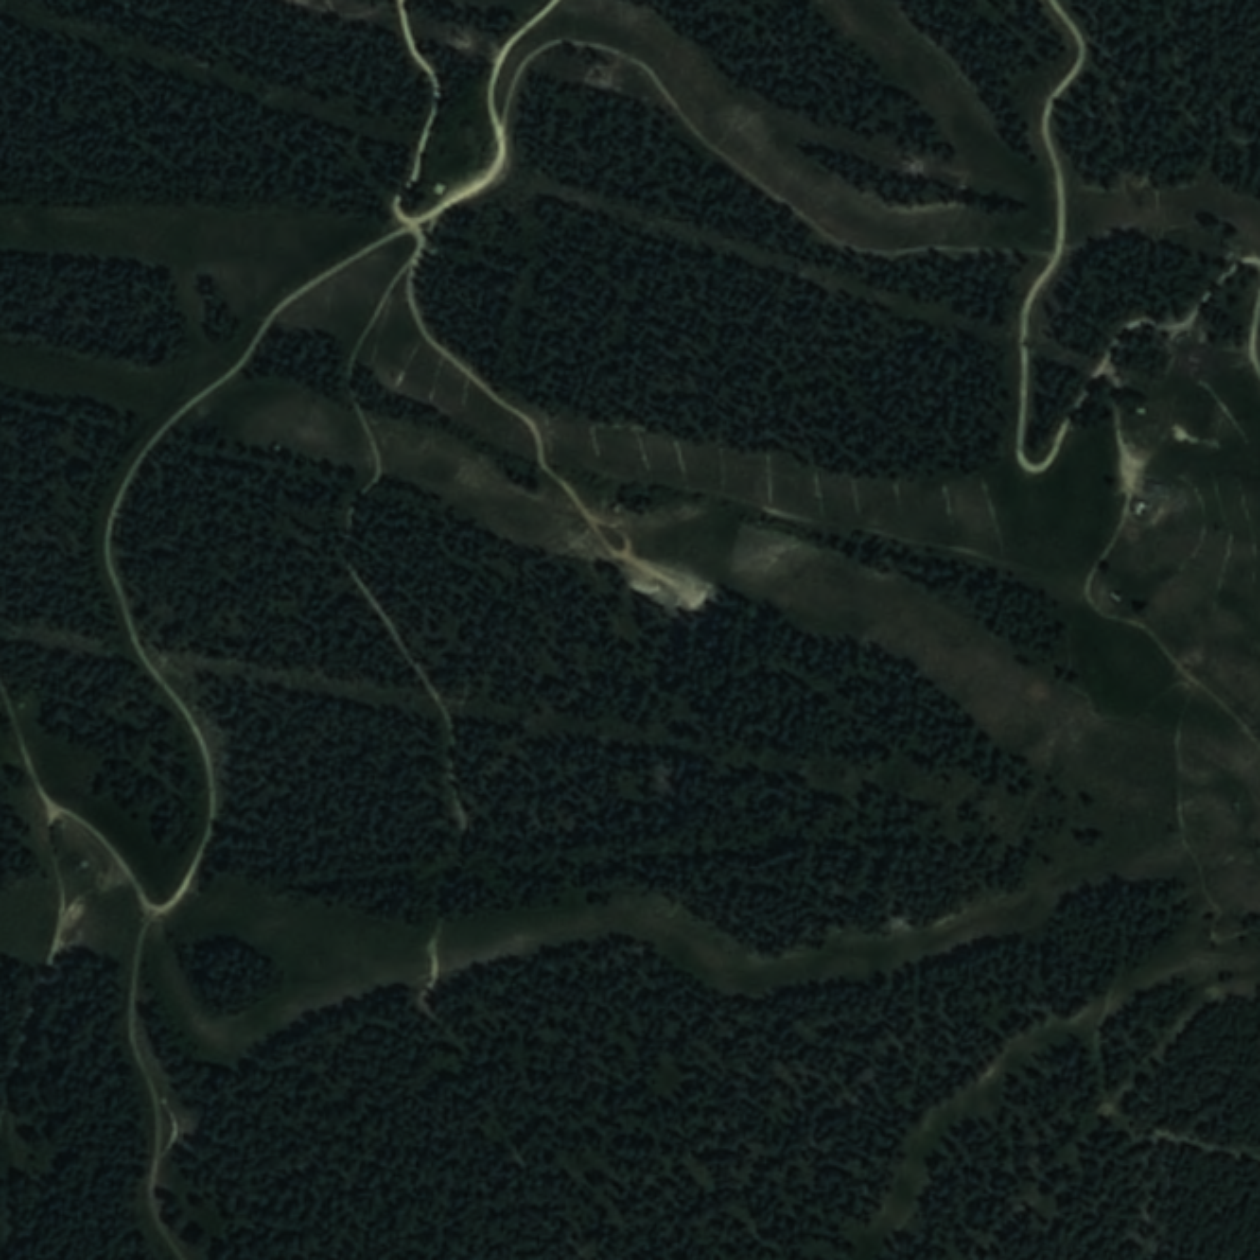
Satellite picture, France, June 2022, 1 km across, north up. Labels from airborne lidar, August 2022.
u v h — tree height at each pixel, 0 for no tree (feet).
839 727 82
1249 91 52
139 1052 0
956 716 49
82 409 60
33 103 78
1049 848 0
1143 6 60
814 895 78
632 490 33
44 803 0
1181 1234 79
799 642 84
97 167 73
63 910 0
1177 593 0
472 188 0
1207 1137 51
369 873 33
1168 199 0
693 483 0
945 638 0
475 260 27
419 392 0
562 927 0
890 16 0
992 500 0
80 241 0
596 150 75
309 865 69
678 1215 70
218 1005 61
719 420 58
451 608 22
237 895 0
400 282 0
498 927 0
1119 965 34
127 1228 72
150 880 0
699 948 0
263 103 62
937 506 0
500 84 0
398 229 0
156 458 22
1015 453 0
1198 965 0
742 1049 75
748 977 0
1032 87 0
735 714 73
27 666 53
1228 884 0
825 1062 77
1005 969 78
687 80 0
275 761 45
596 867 37
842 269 60
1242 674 0
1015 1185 87
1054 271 0
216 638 57
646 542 0
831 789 0
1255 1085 56
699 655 98
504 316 72
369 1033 66
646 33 0
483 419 0
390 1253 82
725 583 0
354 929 0
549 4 0
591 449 0
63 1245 66
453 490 0
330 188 66
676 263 72
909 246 0
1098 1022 0
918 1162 0
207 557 54
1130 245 67
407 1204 99
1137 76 80
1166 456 0
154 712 75
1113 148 75
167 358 69
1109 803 0
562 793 69
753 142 0
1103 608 0
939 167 0
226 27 44
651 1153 83
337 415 0
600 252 32
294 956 0
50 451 64
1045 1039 0
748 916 61
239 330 29
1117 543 0
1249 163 61
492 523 0
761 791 85
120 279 65
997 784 59
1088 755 0
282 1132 37
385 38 54
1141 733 0
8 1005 75
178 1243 0
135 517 60
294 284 0
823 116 69
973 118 0
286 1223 117
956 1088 81
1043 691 0
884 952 0
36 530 71
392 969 0
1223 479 0
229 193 40
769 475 0
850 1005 77
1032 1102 53
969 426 85
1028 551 0
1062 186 0
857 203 0
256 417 0
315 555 48
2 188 56
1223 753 0
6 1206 85
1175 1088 61
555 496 0
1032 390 0
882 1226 0
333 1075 20
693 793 52
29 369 0
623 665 83
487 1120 83
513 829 80
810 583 0
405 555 68
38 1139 87
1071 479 0
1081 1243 65
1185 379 0
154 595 65
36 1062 78
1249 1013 35
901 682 63
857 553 73
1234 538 0
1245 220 0
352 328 0
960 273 81
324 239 0
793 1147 82
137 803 72
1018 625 73
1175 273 80
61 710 74
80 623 70
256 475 70
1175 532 0
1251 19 52
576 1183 75
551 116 61
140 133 70
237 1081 81
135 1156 66
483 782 63
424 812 53
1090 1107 56
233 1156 84
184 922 0
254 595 62
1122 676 0
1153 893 56
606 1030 59
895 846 62
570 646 69
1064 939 24
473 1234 86
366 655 74
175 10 41
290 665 62
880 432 60
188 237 0
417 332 0
